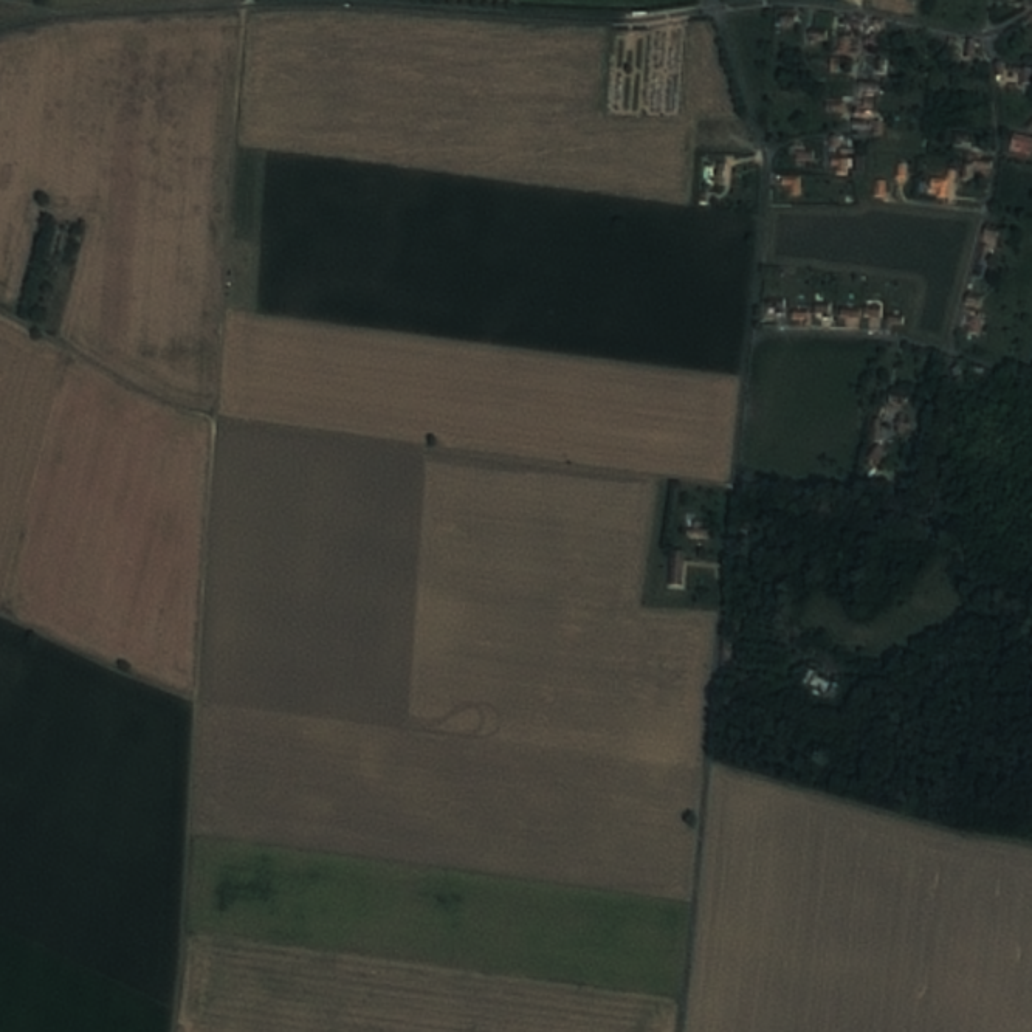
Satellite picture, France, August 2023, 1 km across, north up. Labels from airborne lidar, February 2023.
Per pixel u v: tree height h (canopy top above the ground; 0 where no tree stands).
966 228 0
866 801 15
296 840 0
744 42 0
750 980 0
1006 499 6
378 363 0
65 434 0
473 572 0
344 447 0
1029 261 0
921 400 10
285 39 0
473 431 0
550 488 0
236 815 0
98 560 0
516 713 0
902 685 21
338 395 0
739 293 0
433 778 0
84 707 0
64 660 0
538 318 0
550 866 0
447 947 0
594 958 0
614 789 0
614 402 0
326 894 0
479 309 0
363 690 0
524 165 0
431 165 0
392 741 0
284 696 0
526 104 0
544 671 0
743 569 9
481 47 0
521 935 0
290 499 0
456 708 0
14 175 0
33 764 0
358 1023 0
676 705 0
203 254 0
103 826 0
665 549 7
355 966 0
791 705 21
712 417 0
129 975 0
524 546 0
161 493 0
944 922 0
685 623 0
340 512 0
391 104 0
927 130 8
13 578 0
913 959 0
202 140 0
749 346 0
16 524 0
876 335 0
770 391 0
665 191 0
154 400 0
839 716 23
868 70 9
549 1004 0
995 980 0
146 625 0
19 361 0
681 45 0
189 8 0
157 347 0
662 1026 0
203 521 0
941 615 0
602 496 0
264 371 0
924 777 24
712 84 0
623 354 0
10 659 0
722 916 0
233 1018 0
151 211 0
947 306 0
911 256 0
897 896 0
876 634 0
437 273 0
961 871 0
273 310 0
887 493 22
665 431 0
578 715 0
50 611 0
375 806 0
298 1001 0
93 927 0
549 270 0
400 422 0
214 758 0
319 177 0
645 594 0
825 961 0
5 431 0
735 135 0
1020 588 14
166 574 0
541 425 0
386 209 0
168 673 0
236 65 0
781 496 25
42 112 0
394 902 0
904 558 15
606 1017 0
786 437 0
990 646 19
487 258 0
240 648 0
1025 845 0
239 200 0
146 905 0
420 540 0
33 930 0
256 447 0
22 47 0
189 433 0
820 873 0
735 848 0
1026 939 0
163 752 0
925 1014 0
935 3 8
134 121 0
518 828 0
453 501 0
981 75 11
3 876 0
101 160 0
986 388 10
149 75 0
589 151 0
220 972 0
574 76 0
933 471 21
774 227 0
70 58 0
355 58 0
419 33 0
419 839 0
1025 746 35
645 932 0
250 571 0
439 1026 0
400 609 0
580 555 0
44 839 0
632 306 0
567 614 0
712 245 0
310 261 0
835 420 0
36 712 0
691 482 0
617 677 0
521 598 0
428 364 0
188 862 0
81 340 0
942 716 27
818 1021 0
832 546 16
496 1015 0
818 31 0
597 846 0
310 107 0
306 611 0
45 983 0
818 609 0
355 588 0
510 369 0
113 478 0
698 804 0
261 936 0
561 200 0
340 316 0
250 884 0
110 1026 0
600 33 0
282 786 0
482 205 0
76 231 6
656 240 0
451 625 0
